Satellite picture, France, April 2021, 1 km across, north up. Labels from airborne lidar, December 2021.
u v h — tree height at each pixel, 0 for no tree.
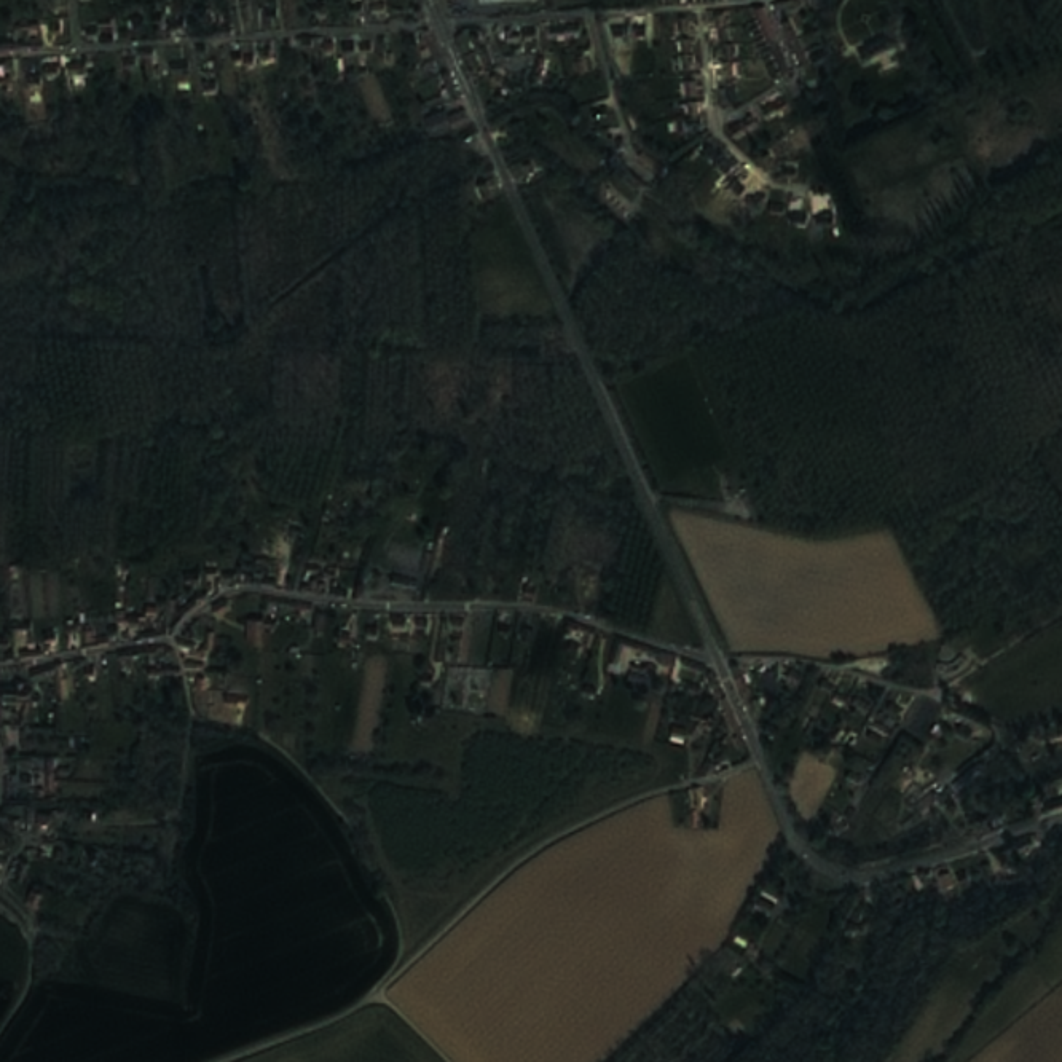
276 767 0
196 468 18
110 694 0
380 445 18
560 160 9
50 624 0
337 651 7
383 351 10
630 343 24
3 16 13
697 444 0
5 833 0
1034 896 15
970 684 0
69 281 11
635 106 12
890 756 10
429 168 14
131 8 7
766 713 12
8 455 23
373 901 0
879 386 25
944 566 0
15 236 8
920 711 0
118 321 16
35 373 6
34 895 0
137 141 9
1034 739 17
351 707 0
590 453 9
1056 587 16
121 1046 0
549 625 0
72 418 25
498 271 0
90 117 20
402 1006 0
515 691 0
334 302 6
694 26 0
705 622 0
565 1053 0
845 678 0
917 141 0
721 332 26
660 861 0
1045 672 0
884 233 24
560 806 7
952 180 0
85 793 0
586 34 7
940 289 29
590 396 27
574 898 0
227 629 0
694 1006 11
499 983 0
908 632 0
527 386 25
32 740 8
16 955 0
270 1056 0
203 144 30
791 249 0
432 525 13
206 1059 0
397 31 0
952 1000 0
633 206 0
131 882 10
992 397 30
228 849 0
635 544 19
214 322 16
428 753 0
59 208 19
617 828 0
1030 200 24
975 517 0
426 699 9
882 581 0
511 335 12
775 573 0
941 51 0
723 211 0
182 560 7
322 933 0
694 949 0
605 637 0
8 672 6
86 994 0
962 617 0
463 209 25
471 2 0
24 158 7
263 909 0
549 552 31
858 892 14
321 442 25
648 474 7
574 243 0
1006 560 0
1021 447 26
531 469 9
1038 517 27
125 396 28
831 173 11
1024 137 0
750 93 0
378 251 33
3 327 8
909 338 27
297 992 0
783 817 0
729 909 0
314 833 0
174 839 16
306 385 32
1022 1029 0
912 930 9
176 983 0
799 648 0
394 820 9
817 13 8
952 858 0
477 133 0
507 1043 0
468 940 0
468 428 7
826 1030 23
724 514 0
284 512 11
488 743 8
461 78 0
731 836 0
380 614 0
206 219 6
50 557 16
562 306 0
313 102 6
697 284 20
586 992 0
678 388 0
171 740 18
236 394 25
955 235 19
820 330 23
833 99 17
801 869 13
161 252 25
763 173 0
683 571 0
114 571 18
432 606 0
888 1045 19
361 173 26
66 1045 0
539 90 11
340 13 0
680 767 0
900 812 0
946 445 29
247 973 0
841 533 24
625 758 7
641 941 0
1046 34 25
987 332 28
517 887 0
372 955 0
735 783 0
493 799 7
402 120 5
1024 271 26
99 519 32
